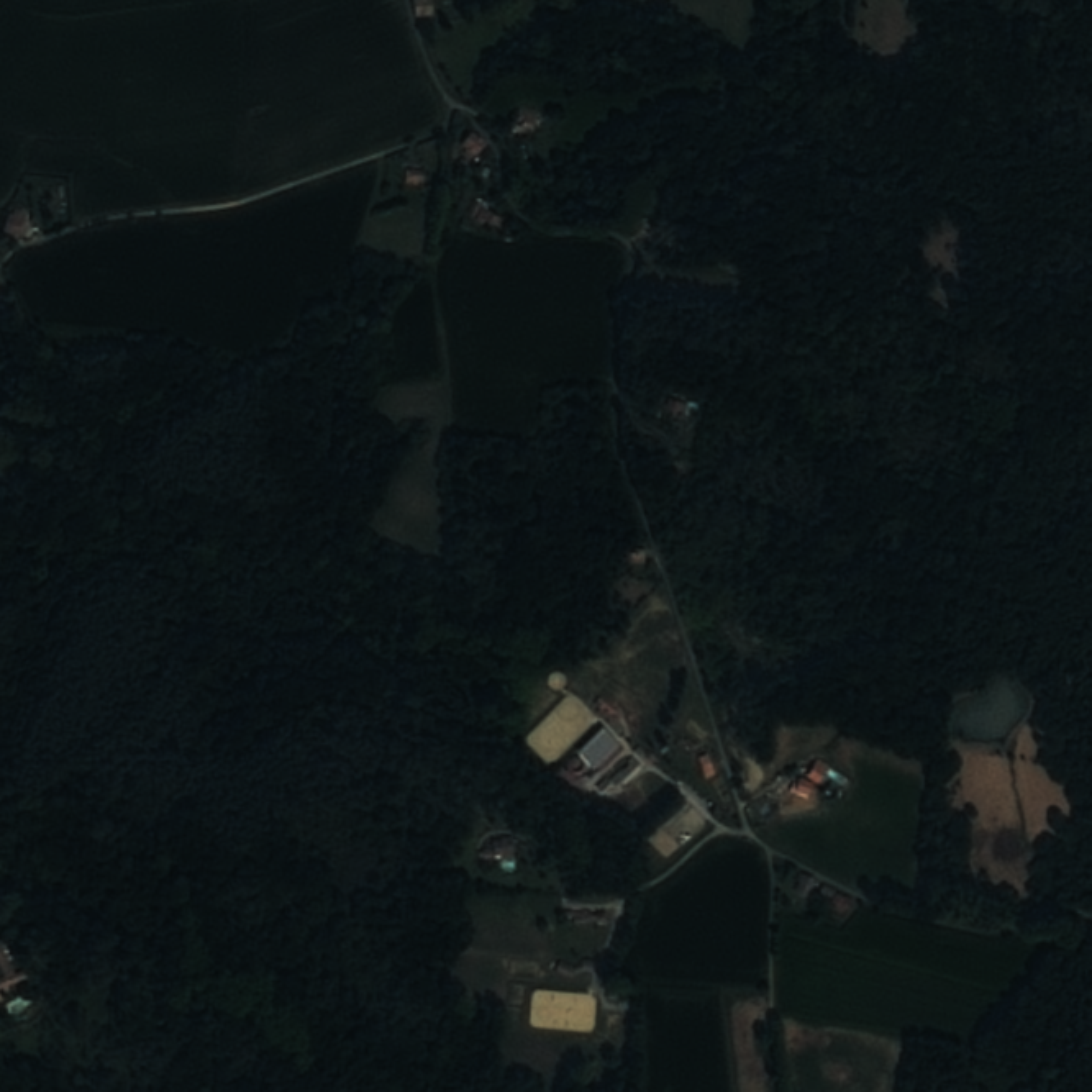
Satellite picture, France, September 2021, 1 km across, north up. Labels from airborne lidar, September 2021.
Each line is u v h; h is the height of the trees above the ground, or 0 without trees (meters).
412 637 36
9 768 23
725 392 20
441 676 23
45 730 23
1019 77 21
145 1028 18
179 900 24
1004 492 21
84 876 17
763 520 10
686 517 10
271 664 30
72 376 22
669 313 22
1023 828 0
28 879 20
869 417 11
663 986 0
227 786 23
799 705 21
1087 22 25
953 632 19
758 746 20
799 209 23
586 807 12
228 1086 25
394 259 11
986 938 0
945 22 22
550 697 0
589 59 29
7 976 0
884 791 0
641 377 22
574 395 10
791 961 0
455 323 0
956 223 21
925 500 25
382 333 14
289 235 0
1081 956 19
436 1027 19
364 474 20
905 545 20
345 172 0
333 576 24
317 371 24
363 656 31
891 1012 0
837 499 24
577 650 13
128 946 19
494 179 13
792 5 31
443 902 24
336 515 27
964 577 19
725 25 0
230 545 22
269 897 23
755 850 0
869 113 19
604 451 21
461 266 0
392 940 17
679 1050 0
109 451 27
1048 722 11
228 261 0
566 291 0
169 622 19
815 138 20
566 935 0
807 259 25
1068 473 18
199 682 16
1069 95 20
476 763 20
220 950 23
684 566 6
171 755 23
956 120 31
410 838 21
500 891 9
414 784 9
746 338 20
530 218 21
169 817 24
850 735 15
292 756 23
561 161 11
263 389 16
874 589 21
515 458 22
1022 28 25
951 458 9
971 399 19
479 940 0
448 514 9
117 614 19
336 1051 10
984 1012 0
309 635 29
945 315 7
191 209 0
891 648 23
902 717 20
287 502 16
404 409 0
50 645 21
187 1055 21
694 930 0
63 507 29
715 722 0
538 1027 0
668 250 23
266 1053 20
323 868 21
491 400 0
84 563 24
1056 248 19
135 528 26
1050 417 29
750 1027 0
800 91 21
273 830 22
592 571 21
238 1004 29
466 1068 11
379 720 13
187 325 0
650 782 0
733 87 15
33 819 20
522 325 0
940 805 9
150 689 23
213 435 20
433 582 22
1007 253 24
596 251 0
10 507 29
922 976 0
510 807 12
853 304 19
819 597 11
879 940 0
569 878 15
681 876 0
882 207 25
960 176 25
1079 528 24
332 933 21
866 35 0
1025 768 0
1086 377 29
